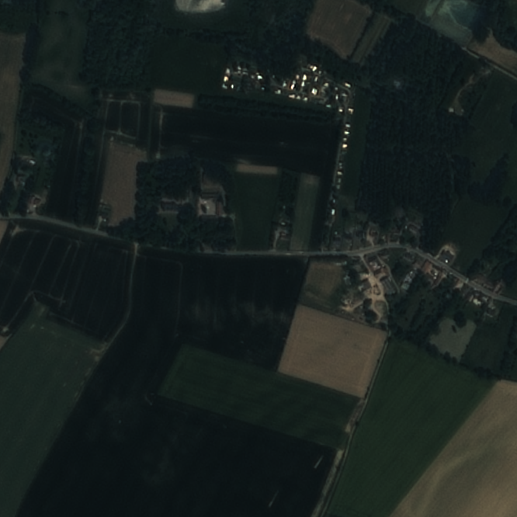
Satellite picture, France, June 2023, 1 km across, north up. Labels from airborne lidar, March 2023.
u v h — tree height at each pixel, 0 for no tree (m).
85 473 0
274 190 0
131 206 0
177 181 32
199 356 0
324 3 0
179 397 0
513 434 0
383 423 0
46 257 0
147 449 0
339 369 0
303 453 0
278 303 0
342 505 0
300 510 0
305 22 32
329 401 0
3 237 0
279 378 0
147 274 0
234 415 0
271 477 0
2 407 0
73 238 0
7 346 0
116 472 0
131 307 0
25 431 0
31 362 0
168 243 15
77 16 0
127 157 0
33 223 0
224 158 0
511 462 0
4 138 0
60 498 0
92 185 0
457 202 0
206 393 0
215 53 0
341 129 14
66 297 0
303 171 0
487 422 0
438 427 0
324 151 0
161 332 0
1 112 0
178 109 0
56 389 0
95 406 0
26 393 0
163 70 0
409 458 0
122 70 18
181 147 0
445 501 0
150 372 0
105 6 17
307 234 0
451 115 15
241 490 0
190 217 28
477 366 0
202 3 0
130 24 7
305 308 0
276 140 0
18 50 0
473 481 0
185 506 0
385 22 0
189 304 0
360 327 0
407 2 0
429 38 21
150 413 0
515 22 0
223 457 0
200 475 0
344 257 8
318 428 0
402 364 0
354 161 0
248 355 0
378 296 0
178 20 0
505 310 0
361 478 0
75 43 0
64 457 0
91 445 0
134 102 0
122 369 0
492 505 0
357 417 0
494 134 0
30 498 0
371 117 8
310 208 0
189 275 0
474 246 0
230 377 0
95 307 0
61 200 0
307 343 0
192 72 0
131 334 0
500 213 0
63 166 0
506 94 0
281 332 0
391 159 28
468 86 0
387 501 0
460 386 0
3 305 0
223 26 0
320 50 27
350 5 0
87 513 0
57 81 0
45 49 0
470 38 0
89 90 0
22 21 0
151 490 0
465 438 0
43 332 0
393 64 38
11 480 0
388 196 27
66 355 0
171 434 0
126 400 0
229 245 16
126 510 0
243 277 0
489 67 13
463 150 0
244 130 0
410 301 6
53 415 0
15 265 0
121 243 0
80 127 0
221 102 7
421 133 31
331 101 13
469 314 0
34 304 0
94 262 0
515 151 0
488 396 0
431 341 0
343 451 0
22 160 6
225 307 0
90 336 0
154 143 0
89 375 0
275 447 0
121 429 0
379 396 0
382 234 0
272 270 0
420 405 0
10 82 0
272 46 17
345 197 0
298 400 0
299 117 9
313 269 0
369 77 13
